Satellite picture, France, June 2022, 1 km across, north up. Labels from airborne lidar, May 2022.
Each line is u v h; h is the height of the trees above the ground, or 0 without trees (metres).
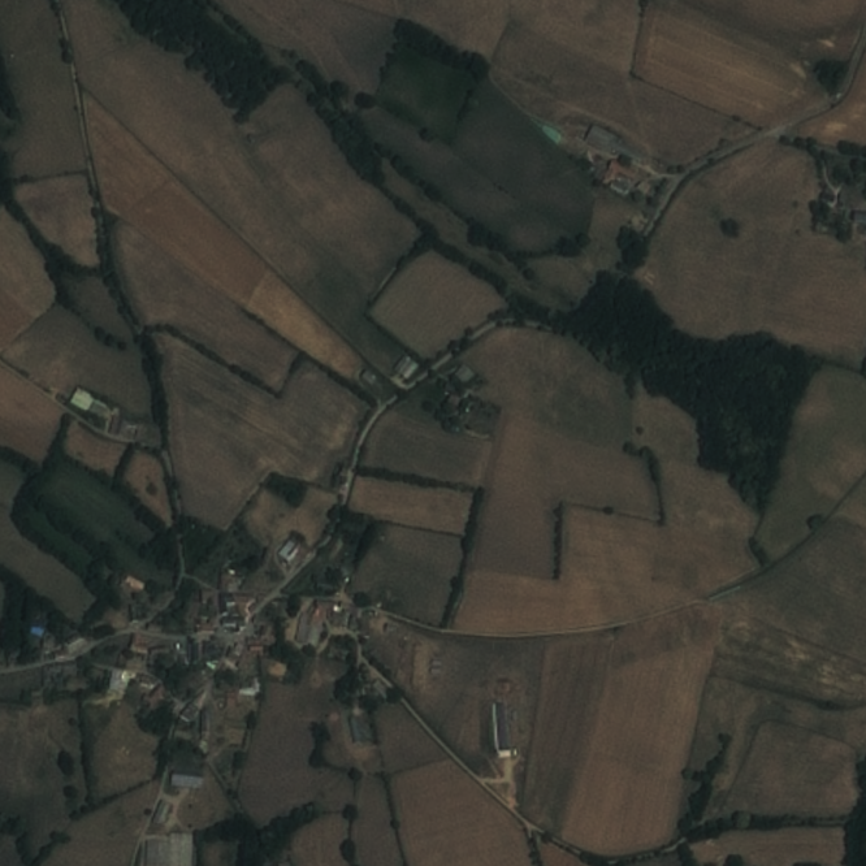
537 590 0
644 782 0
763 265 0
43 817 0
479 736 0
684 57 0
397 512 0
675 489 0
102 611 13
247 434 0
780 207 0
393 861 0
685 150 0
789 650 0
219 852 0
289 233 0
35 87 0
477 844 0
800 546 0
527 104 0
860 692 0
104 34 0
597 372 0
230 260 0
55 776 0
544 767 0
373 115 0
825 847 0
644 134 0
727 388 23
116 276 7
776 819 6
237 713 0
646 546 0
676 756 0
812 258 0
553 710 0
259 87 14
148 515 18
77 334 0
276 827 18
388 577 0
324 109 18
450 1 0
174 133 0
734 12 0
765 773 0
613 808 0
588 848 0
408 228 0
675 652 0
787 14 0
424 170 0
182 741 6
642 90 0
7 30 0
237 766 10
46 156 0
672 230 0
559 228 0
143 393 0
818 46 0
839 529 0
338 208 0
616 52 0
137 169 0
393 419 0
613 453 0
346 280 0
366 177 16
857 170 13
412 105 0
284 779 0
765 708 0
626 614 0
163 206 0
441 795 0
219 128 0
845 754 0
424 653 0
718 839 10
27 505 17
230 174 0
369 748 0
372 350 0
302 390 0
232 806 0
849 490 0
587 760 0
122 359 0
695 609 0
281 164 0
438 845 0
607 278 19
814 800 0
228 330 0
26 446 0
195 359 0
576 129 0
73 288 0
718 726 0
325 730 10
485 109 0
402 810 0
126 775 0
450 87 0
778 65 0
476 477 0
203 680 0
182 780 0
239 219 0
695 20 0
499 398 0
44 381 0
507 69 0
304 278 0
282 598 6
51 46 0
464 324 0
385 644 0
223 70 11
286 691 0
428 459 0
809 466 0
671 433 0
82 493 0
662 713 0
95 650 9
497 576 0
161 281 0
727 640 0
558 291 0
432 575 0
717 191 0
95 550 17
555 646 0
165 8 13
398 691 9
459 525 0
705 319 0
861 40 0
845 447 0
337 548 0
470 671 0
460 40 0
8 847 0
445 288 0
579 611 0
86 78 0
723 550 0
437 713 0
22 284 0
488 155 0
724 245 0
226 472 0
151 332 10
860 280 0
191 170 0
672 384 21
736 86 0
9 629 17
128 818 0
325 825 0
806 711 0
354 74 0
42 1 0
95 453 0
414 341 0
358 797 0
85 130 0
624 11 0
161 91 0
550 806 0
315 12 0
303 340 0
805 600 0
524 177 0
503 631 0
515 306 12
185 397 0
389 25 0
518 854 0
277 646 8
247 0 0
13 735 0
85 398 0
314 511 0
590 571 0
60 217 0
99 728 0
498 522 0
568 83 0
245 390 0
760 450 20
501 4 0
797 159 0
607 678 0
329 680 0
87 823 0
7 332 0
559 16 0
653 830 0
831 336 0
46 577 0
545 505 0
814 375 8
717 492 0
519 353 0
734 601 0
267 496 0
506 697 0
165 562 13
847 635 0
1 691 0
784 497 0
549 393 0
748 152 0
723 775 0
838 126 0
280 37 0
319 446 0
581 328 20
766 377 22
